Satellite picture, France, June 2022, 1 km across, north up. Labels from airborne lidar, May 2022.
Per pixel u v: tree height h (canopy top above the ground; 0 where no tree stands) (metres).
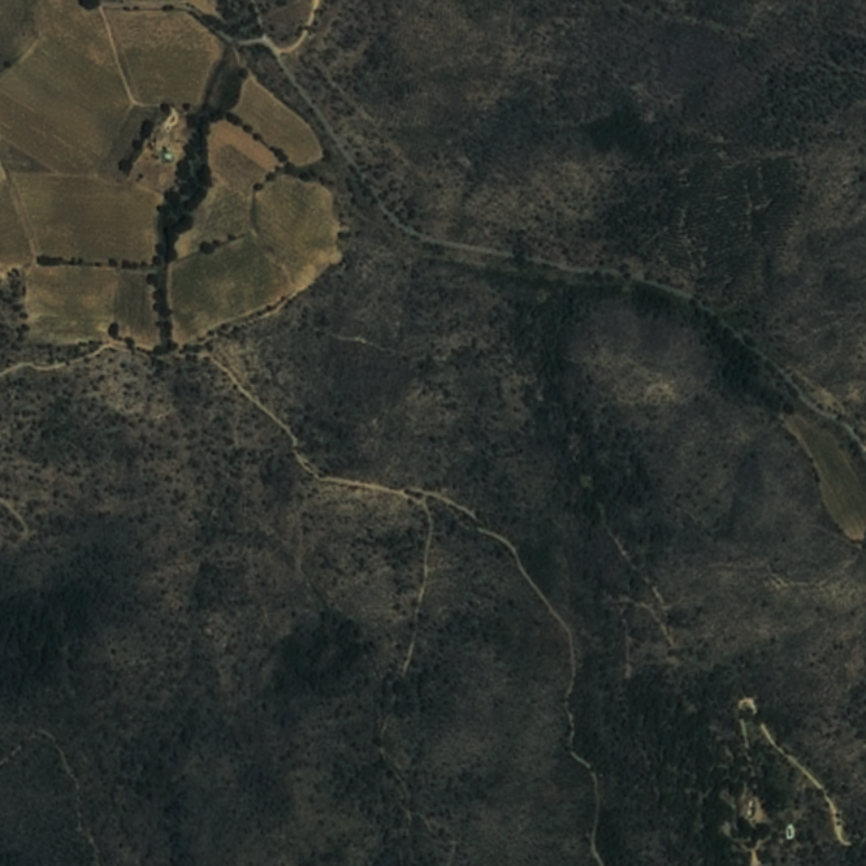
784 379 9
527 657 0
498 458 9
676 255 10
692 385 0
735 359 10
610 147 6
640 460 9
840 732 9
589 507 13
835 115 15
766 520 0
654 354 0
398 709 11
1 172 0
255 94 0
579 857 0
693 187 11
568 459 8
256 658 0
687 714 8
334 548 0
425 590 0
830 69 17
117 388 0
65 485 0
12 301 7
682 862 8
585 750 6
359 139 0
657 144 8
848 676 0
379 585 0
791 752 9
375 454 0
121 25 0
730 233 11
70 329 0
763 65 22
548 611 0
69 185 0
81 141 0
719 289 9
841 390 0
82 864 7
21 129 0
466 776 10
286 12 0
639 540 10
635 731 9
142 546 9
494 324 9
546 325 8
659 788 9
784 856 6
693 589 0
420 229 8
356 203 6
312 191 0
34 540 7
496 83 0
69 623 9
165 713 11
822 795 9
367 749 10
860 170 10
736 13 0
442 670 10
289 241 0
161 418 0
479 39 0
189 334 0
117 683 11
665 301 9
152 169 0
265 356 0
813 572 0
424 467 0
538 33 6
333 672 7
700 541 9
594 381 10
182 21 0
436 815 11
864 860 9
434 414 0
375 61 9
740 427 0
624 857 8
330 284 18
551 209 8
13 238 0
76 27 0
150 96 0
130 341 10
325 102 8
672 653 11
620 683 7
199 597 8
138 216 0
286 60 0
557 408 9
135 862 0
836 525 9
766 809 16
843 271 7
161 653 0
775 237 9
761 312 11
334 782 12
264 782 11
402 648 10
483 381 0
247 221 0
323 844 0
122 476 0
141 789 17
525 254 7
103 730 11
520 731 0
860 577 0
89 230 0
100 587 8
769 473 0
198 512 8
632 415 0
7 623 10
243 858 0
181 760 8
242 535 7
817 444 0
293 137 0
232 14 11
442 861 7
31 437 8
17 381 7
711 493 0
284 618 0
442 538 9
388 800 12
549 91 0
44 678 11
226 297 0
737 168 10
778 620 0
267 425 0
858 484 0
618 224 11
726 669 9
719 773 14
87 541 0
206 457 0
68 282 0
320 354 0
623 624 11
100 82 0
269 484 7
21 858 9
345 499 0
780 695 9
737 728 10
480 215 0
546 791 0
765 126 15
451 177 0
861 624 0
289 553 0
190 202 10
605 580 11
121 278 0
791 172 9
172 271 0
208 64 0
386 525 0
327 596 0
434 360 6
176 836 12
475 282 0
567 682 0
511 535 6
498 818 0
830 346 0
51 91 0
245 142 0
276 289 0
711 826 16
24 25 0
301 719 7
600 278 9
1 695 7
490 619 0
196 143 10
